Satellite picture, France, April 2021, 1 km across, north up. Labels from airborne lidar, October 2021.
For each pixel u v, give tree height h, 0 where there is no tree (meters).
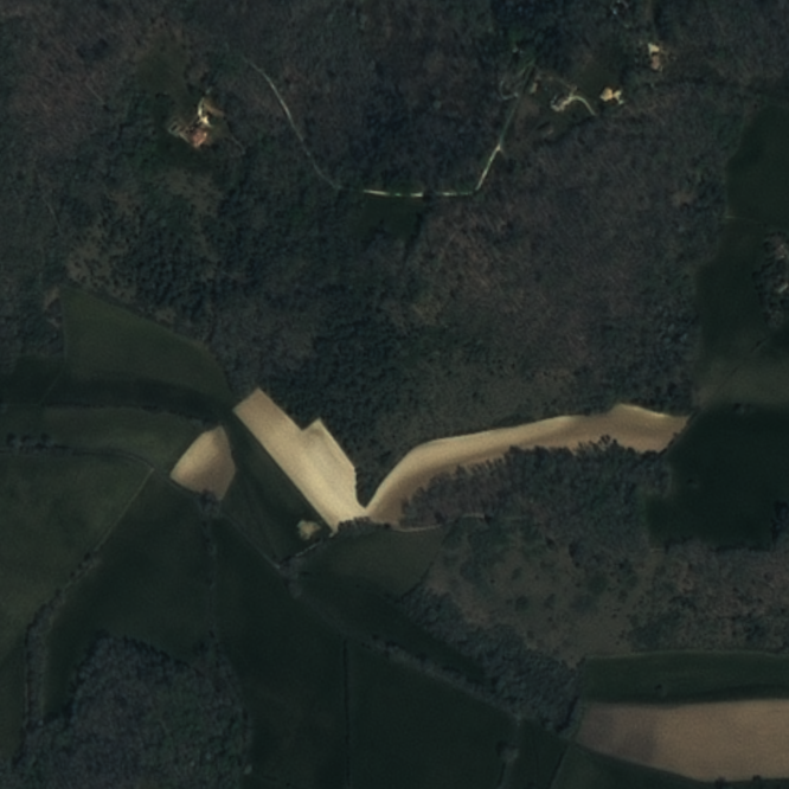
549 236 22
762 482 0
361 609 0
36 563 0
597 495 22
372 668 0
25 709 9
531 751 0
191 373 0
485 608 0
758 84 6
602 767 0
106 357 0
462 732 0
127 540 0
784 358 0
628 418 0
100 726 24
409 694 0
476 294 18
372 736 0
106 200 12
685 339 21
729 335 0
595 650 0
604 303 17
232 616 0
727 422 0
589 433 0
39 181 24
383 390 6
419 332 9
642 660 0
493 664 21
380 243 22
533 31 21
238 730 20
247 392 25
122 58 18
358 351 16
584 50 19
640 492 22
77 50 16
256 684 0
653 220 15
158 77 0
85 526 0
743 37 25
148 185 8
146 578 0
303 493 0
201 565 0
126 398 0
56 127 16
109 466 0
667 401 15
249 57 14
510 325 22
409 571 0
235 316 18
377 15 7
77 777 26
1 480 0
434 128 18
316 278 12
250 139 17
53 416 0
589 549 19
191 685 24
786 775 0
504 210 20
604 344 21
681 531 0
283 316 23
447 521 10
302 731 0
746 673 0
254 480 0
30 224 21
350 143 11
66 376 0
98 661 18
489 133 16
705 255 21
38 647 16
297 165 19
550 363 13
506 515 19
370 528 18
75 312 0
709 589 10
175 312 9
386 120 16
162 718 23
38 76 15
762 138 0
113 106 17
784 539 21
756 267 0
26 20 18
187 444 0
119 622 0
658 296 25
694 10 22
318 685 0
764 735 0
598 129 7
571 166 13
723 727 0
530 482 22
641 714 0
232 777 19
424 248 17
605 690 0
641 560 19
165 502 0
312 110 9
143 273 15
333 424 9
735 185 0
